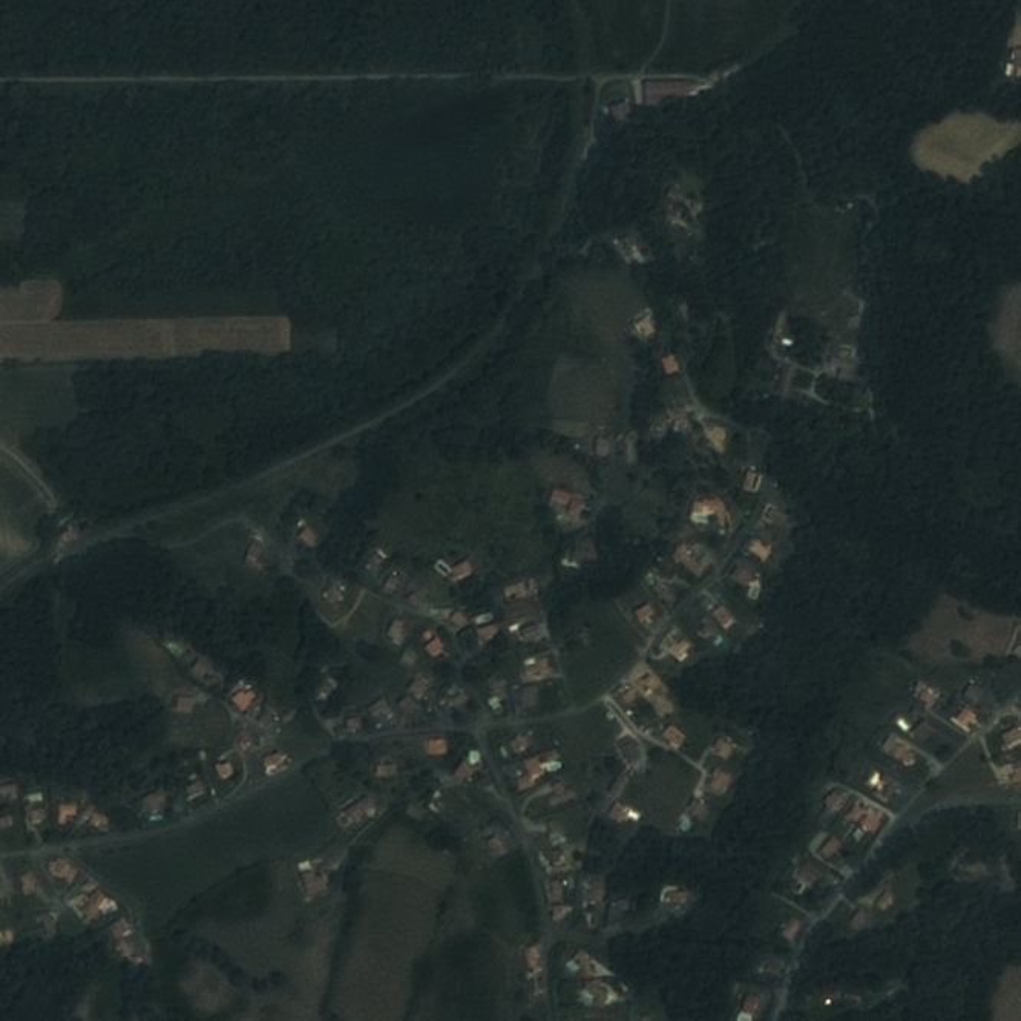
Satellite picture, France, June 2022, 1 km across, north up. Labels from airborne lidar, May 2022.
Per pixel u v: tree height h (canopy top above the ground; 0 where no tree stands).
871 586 24
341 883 11
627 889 10
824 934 17
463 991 0
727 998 21
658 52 0
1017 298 0
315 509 15
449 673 17
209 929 0
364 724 11
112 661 0
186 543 0
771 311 26
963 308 13
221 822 0
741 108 10
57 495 0
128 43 9
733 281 24
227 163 7
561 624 9
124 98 13
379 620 0
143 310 0
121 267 10
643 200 25
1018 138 0
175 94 6
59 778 18
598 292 0
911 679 0
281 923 0
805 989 18
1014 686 0
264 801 0
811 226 0
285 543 7
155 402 12
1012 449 18
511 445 16
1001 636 0
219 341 0
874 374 23
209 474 9
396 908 0
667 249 6
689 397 0
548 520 17
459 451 21
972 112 12
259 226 7
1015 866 15
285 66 9
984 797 0
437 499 0
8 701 17
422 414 9
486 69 11
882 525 20
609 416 0
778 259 25
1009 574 22
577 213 9
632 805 0
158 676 0
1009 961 18
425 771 13
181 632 6
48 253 13
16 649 21
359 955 0
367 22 12
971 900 15
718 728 7
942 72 17
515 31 7
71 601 15
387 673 0
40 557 0
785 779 29
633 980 21
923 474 20
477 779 9
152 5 10
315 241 9
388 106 0
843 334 0
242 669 11
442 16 9
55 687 16
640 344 17
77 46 9
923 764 0
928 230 23
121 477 7
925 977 22
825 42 21
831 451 19
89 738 22
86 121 14
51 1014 20
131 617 11
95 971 13
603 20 0
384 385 7
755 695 28
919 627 14
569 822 0
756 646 18
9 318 0
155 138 11
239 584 0
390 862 0
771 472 18
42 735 21
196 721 0
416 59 6
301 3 9
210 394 11
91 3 7
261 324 0
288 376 16
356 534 15
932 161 0
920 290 13
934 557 22
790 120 20
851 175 19
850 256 0
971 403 10
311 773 10
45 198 9
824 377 10
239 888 0
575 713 0
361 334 13
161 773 16
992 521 21
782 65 13
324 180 0
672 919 7
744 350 10
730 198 13
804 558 17
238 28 10
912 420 13
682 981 26
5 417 0
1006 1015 0
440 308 7
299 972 0
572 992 0
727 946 24
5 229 0
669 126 10
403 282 13
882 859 18
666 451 14
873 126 21
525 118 8
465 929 0
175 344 0
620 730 0
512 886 0
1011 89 12
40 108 12
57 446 10
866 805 0
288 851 0
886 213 17
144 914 0
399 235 6
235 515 0
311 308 12
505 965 0
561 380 0
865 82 21
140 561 20
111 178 7
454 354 11
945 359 12
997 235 24
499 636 12
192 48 8
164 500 9
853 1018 17
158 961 0
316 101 7
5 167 11
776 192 17
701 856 31
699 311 22
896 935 23
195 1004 0
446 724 0
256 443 10
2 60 8
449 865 0
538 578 0
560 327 0
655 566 9
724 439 0
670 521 9
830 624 27
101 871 0
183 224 0
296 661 11
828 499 25
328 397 14
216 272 10
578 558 0
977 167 0
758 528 0
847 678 16
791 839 19
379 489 18
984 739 0
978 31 12
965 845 15
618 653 0
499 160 0
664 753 9
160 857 0
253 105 9
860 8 22
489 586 11
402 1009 0
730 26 0
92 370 7
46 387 0
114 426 12
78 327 0
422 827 12
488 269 18
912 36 20
